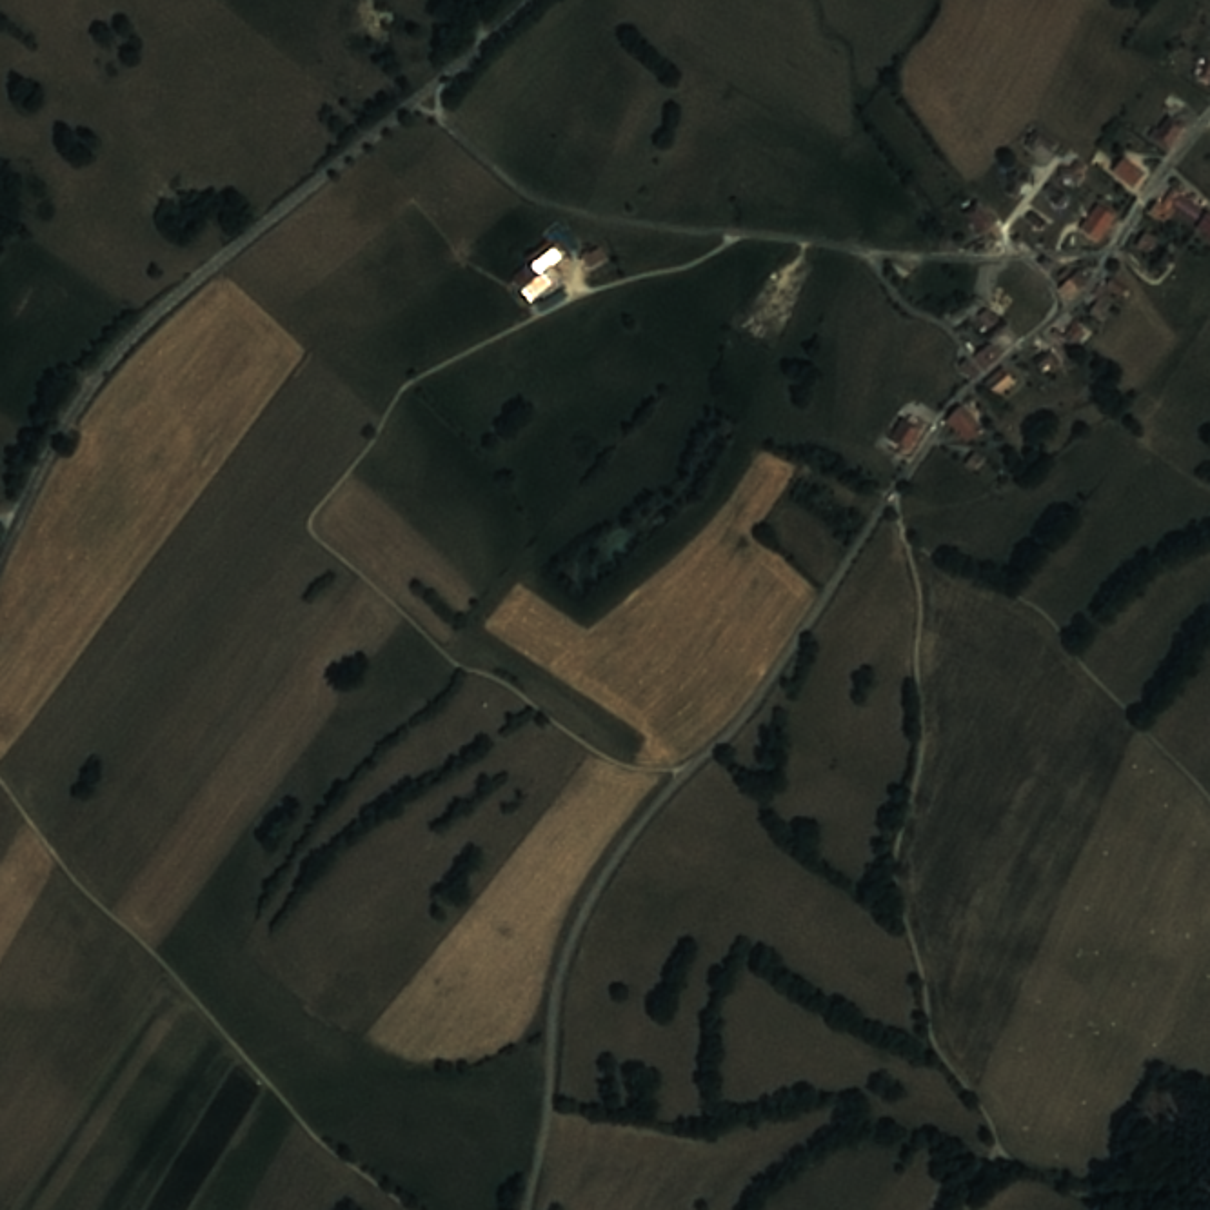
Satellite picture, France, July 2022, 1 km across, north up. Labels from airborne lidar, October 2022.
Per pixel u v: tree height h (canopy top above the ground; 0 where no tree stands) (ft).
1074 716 0
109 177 0
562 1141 0
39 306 0
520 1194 47
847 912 0
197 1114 0
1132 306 0
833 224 0
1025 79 0
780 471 0
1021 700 0
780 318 0
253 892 0
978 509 0
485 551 0
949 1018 0
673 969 49
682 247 0
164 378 0
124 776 0
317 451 0
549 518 0
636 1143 0
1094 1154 0
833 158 0
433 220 0
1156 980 0
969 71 0
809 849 56
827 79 0
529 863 0
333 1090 0
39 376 0
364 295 0
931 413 0
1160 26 0
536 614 0
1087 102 0
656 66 48
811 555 0
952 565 77
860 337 0
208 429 0
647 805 0
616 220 0
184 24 0
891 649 0
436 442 0
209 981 0
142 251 0
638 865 0
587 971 0
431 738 0
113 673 0
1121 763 0
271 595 0
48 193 0
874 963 0
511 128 0
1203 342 0
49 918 0
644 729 0
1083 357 52
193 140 0
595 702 0
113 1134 0
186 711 0
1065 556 0
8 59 0
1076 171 0
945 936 0
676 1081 0
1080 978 0
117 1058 0
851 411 0
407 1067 0
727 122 0
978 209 0
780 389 0
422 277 0
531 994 0
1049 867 0
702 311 0
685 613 0
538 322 0
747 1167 0
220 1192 0
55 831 0
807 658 31
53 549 0
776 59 0
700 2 0
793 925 0
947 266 19
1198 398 0
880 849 55
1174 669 70
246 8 0
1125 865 0
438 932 0
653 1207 0
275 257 0
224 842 0
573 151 0
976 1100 36
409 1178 0
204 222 54
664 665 0
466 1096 0
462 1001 0
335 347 0
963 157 0
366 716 0
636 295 0
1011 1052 0
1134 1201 96
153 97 0
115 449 0
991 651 0
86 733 0
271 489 0
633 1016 0
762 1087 0
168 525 0
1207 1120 73
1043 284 0
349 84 0
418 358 0
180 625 0
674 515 43
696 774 0
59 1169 0
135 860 0
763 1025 0
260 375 0
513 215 0
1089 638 68
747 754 0
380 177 0
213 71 0
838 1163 0
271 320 0
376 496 0
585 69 0
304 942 0
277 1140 0
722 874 0
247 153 0
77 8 0
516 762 0
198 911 0
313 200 0
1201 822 0
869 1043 23
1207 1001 0
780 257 0
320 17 0
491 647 0
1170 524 0
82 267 0
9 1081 0
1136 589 64
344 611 0
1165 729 0
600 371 0
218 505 0
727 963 35
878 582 0
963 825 0
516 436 38
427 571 0
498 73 0
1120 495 0
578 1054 0
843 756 0
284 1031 0
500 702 0
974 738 0
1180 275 0
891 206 0
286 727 0
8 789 0
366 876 0
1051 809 0
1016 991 0
